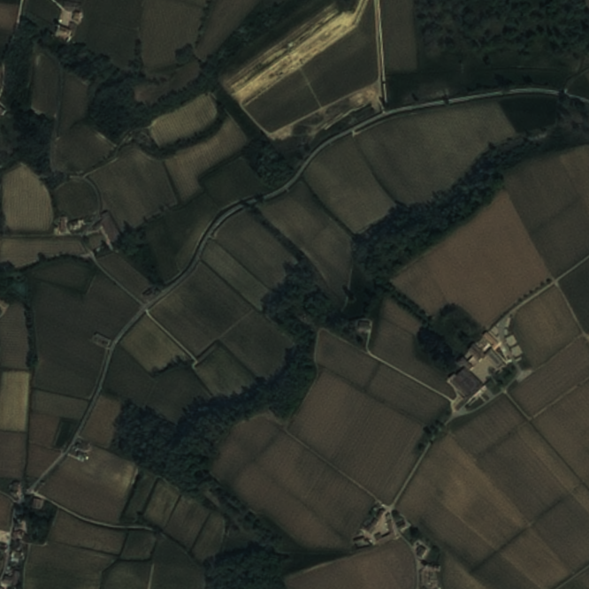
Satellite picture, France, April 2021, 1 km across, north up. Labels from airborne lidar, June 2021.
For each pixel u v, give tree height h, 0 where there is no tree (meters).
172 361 0
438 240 16
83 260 14
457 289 0
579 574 0
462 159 0
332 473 0
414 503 0
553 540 0
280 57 0
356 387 0
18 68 11
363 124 0
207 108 0
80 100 0
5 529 0
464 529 0
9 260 0
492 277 0
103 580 0
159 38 0
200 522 0
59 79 0
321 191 0
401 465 0
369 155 0
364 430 0
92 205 0
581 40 22
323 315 20
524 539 0
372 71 0
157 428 16
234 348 0
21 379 0
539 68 0
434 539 0
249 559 23
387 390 0
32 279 0
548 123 0
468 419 0
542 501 0
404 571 0
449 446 0
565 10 24
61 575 0
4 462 0
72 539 0
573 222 0
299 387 22
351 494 0
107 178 0
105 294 0
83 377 0
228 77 0
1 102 6
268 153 17
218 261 0
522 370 0
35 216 0
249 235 0
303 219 0
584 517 0
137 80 20
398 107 0
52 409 0
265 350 0
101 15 0
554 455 0
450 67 0
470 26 26
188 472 16
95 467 0
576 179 0
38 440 0
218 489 15
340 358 0
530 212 0
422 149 0
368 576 0
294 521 0
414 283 0
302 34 0
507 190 0
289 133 0
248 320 0
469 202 18
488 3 6
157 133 0
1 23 0
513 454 0
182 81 0
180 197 0
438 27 19
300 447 0
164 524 0
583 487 0
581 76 0
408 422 0
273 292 11
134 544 0
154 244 0
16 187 0
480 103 0
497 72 0
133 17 0
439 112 0
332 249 0
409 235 23
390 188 0
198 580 0
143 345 0
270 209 0
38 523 14
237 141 0
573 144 0
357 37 0
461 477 0
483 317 0
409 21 0
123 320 0
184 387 0
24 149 9
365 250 25
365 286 0
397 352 0
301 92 0
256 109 0
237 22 0
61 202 0
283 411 22
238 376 0
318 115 0
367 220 0
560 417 0
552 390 0
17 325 0
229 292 0
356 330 13
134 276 0
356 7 0
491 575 0
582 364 0
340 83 0
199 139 14
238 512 21
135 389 0
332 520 0
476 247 0
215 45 0
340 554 0
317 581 0
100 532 0
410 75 0
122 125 8
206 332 0
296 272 21
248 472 0
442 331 0
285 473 0
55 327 0
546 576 0
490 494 0
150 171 0
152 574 0
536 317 0
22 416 0
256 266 0
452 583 0
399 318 0
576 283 0
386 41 0
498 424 0
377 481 0
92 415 0
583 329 0
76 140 0
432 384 0
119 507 0
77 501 0
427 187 0
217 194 0
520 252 0
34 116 16
